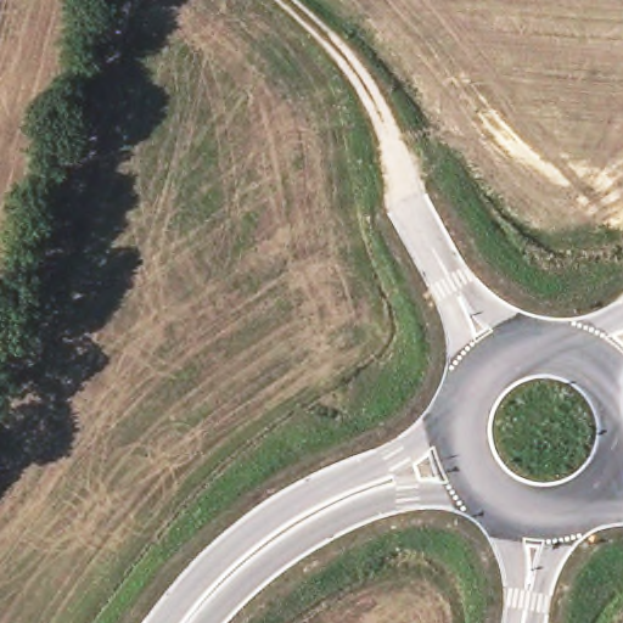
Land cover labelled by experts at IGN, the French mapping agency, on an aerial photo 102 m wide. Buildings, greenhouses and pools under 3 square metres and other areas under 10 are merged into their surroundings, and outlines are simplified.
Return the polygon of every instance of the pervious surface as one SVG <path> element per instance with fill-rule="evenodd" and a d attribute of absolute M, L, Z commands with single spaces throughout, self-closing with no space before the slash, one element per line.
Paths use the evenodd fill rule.
<path fill-rule="evenodd" d="M 338 63 L 338 68 L 355 88 L 375 129 L 382 124 L 382 117 L 392 112 L 370 71 L 358 58 L 358 54 L 304 0 L 270 0 L 270 15 L 277 15 L 280 10 L 287 12 Z"/>

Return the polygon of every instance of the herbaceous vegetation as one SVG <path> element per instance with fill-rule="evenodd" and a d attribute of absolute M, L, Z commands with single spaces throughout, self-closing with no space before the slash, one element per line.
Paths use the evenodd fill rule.
<path fill-rule="evenodd" d="M 353 370 L 346 370 L 338 377 L 329 377 L 324 385 L 304 387 L 294 397 L 280 402 L 263 419 L 246 426 L 246 431 L 241 431 L 231 443 L 214 453 L 163 506 L 163 511 L 156 516 L 156 523 L 141 528 L 131 540 L 127 540 L 119 548 L 117 567 L 100 582 L 95 594 L 80 599 L 83 613 L 75 616 L 75 623 L 141 623 L 156 606 L 156 601 L 165 594 L 165 589 L 178 579 L 178 574 L 219 533 L 224 533 L 243 513 L 248 513 L 253 506 L 273 496 L 275 492 L 285 489 L 287 484 L 321 467 L 380 448 L 397 438 L 428 406 L 440 382 L 445 367 L 443 321 L 436 299 L 426 287 L 423 275 L 419 273 L 411 253 L 406 251 L 402 236 L 397 234 L 387 214 L 382 153 L 375 129 L 355 88 L 338 68 L 338 63 L 287 12 L 280 10 L 277 15 L 270 15 L 270 0 L 224 0 L 229 5 L 229 12 L 219 15 L 217 19 L 224 22 L 224 27 L 231 34 L 236 34 L 243 44 L 248 44 L 248 63 L 265 75 L 265 83 L 280 92 L 282 102 L 304 95 L 309 107 L 316 112 L 321 163 L 326 170 L 324 187 L 331 209 L 338 212 L 333 224 L 338 260 L 346 268 L 355 268 L 348 277 L 353 319 L 333 329 L 329 336 L 346 336 L 341 350 L 358 348 L 360 358 L 355 360 Z"/>
<path fill-rule="evenodd" d="M 596 533 L 596 540 L 584 540 L 569 555 L 555 584 L 555 594 L 550 601 L 550 623 L 623 623 L 623 528 L 601 531 Z"/>
<path fill-rule="evenodd" d="M 338 0 L 304 0 L 358 54 L 358 58 L 370 71 L 392 112 L 404 146 L 416 158 L 419 175 L 436 212 L 440 214 L 467 268 L 492 292 L 496 292 L 513 307 L 550 316 L 589 314 L 623 294 L 623 229 L 611 229 L 604 224 L 579 224 L 574 229 L 543 234 L 511 217 L 496 195 L 489 195 L 479 187 L 465 158 L 455 148 L 440 144 L 440 124 L 423 114 L 414 85 L 402 83 L 389 68 L 389 63 L 377 54 L 372 32 L 358 27 L 353 17 L 341 17 L 333 12 L 333 5 Z"/>
<path fill-rule="evenodd" d="M 496 409 L 494 443 L 501 460 L 513 472 L 528 479 L 545 482 L 569 475 L 584 462 L 594 443 L 594 416 L 584 397 L 567 382 L 533 380 L 509 392 L 501 406 Z"/>
<path fill-rule="evenodd" d="M 406 511 L 355 528 L 336 538 L 333 543 L 319 548 L 316 552 L 307 555 L 285 574 L 280 574 L 273 584 L 268 584 L 258 596 L 253 596 L 229 623 L 294 623 L 326 599 L 338 599 L 341 594 L 358 594 L 367 586 L 377 586 L 380 579 L 392 577 L 428 579 L 448 599 L 453 623 L 501 623 L 501 572 L 492 545 L 484 540 L 479 528 L 467 518 L 448 511 Z"/>

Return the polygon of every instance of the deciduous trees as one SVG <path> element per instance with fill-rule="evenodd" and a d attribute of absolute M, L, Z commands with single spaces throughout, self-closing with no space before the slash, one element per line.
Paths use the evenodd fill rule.
<path fill-rule="evenodd" d="M 80 161 L 80 153 L 85 148 L 85 124 L 80 110 L 85 107 L 83 92 L 90 88 L 85 78 L 97 71 L 95 61 L 105 54 L 105 44 L 97 39 L 97 34 L 107 29 L 107 22 L 114 15 L 122 12 L 124 0 L 66 0 L 61 15 L 63 73 L 54 78 L 54 83 L 44 92 L 37 95 L 37 100 L 27 107 L 22 122 L 22 134 L 32 139 L 29 178 L 24 185 L 15 185 L 12 190 L 5 190 L 0 195 L 0 423 L 12 414 L 7 409 L 10 399 L 19 394 L 19 385 L 12 377 L 12 365 L 17 363 L 17 355 L 29 350 L 29 338 L 51 304 L 51 294 L 41 287 L 37 268 L 37 263 L 56 241 L 49 234 L 51 229 L 41 214 L 44 200 L 49 185 L 63 183 L 68 163 Z"/>

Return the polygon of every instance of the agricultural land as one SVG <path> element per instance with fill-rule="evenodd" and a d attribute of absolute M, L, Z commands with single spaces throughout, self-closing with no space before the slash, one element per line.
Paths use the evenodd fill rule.
<path fill-rule="evenodd" d="M 380 579 L 377 586 L 367 586 L 358 594 L 341 594 L 338 599 L 326 599 L 294 623 L 453 623 L 448 599 L 428 579 L 392 577 Z"/>
<path fill-rule="evenodd" d="M 338 0 L 333 5 L 333 12 L 341 17 L 353 17 L 358 27 L 372 32 L 377 54 L 389 63 L 389 68 L 402 83 L 414 85 L 423 114 L 440 124 L 440 144 L 455 148 L 465 158 L 479 187 L 489 195 L 496 195 L 511 217 L 543 234 L 574 229 L 579 224 L 604 224 L 611 229 L 623 229 L 623 0 Z"/>
<path fill-rule="evenodd" d="M 22 134 L 22 122 L 27 107 L 37 100 L 37 95 L 44 92 L 54 83 L 54 78 L 63 73 L 61 15 L 66 0 L 0 0 L 0 195 L 5 190 L 12 190 L 15 185 L 24 185 L 29 178 L 32 139 Z"/>
<path fill-rule="evenodd" d="M 44 200 L 41 214 L 51 229 L 49 234 L 56 241 L 37 263 L 37 268 L 41 287 L 51 294 L 51 304 L 29 338 L 29 350 L 17 355 L 17 363 L 12 365 L 12 377 L 19 385 L 19 394 L 10 399 L 7 409 L 12 414 L 0 423 L 0 623 L 75 623 L 75 616 L 83 613 L 80 599 L 95 594 L 100 582 L 117 567 L 119 548 L 127 540 L 131 540 L 141 528 L 156 523 L 156 516 L 163 511 L 163 506 L 214 453 L 231 443 L 241 431 L 246 431 L 246 426 L 263 419 L 280 402 L 294 397 L 304 387 L 324 385 L 329 377 L 338 377 L 346 370 L 353 370 L 355 360 L 360 358 L 358 348 L 341 350 L 346 336 L 329 336 L 333 329 L 353 319 L 348 277 L 355 268 L 346 268 L 338 260 L 333 224 L 338 212 L 331 209 L 324 187 L 326 170 L 321 163 L 316 112 L 309 107 L 304 95 L 282 102 L 280 92 L 265 83 L 265 75 L 248 63 L 248 44 L 243 44 L 236 34 L 231 34 L 224 27 L 224 22 L 217 19 L 219 15 L 229 12 L 229 5 L 224 0 L 124 0 L 122 12 L 114 15 L 107 22 L 107 29 L 97 34 L 97 39 L 105 44 L 105 54 L 95 61 L 97 71 L 85 78 L 90 88 L 83 92 L 85 107 L 80 110 L 85 124 L 85 148 L 80 153 L 80 161 L 68 163 L 63 183 L 49 185 Z"/>

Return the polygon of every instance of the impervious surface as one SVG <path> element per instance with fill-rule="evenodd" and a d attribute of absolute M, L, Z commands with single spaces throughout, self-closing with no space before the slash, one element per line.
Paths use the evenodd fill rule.
<path fill-rule="evenodd" d="M 623 294 L 589 314 L 550 316 L 513 307 L 496 292 L 492 292 L 467 268 L 440 214 L 436 212 L 419 175 L 416 158 L 404 146 L 392 112 L 382 117 L 382 124 L 375 129 L 382 153 L 387 214 L 397 234 L 402 236 L 406 251 L 411 253 L 419 273 L 423 275 L 426 287 L 436 299 L 443 321 L 445 367 L 440 382 L 428 406 L 397 438 L 380 448 L 321 467 L 287 484 L 285 489 L 275 492 L 273 496 L 253 506 L 248 513 L 243 513 L 224 533 L 219 533 L 178 574 L 178 579 L 165 589 L 165 594 L 156 601 L 156 606 L 141 623 L 229 623 L 253 596 L 258 596 L 268 584 L 273 584 L 280 574 L 285 574 L 307 555 L 316 552 L 319 548 L 333 543 L 336 538 L 355 528 L 406 511 L 448 511 L 467 518 L 479 528 L 484 540 L 492 545 L 501 572 L 501 623 L 550 623 L 550 601 L 555 594 L 555 584 L 569 555 L 584 540 L 596 540 L 596 533 L 601 531 L 623 528 Z M 533 380 L 567 382 L 584 397 L 594 416 L 594 443 L 584 462 L 569 475 L 545 482 L 528 479 L 513 472 L 501 460 L 494 443 L 496 409 L 501 406 L 509 392 Z"/>

